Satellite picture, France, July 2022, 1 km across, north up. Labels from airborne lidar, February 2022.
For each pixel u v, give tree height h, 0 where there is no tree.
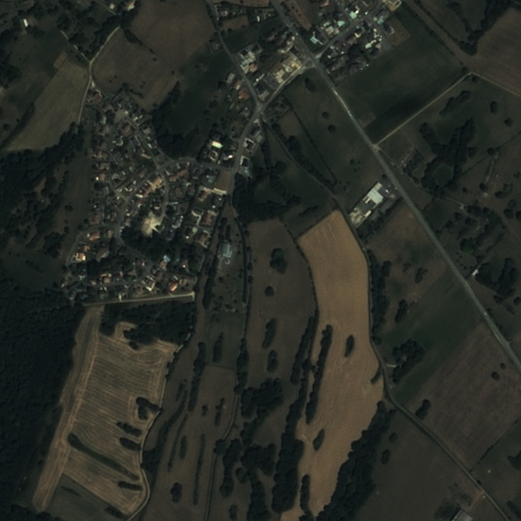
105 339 0
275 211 10
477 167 0
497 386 0
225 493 12
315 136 0
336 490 6
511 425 0
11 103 0
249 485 0
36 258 0
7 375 16
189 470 0
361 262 0
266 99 0
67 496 0
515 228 0
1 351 19
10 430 15
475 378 0
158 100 0
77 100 0
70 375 0
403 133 0
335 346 0
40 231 11
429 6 0
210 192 0
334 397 0
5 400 10
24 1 0
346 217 0
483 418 0
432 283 0
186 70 0
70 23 9
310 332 14
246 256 7
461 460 0
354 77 0
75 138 14
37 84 0
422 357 11
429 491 0
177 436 0
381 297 12
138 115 0
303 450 7
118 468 0
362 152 0
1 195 11
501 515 0
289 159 0
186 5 0
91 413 0
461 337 0
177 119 0
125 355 0
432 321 0
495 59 0
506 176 0
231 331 0
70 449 0
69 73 0
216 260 13
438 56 0
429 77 0
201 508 0
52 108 0
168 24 0
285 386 0
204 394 0
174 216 12
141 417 11
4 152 0
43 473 0
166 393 0
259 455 21
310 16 0
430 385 0
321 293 0
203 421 0
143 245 20
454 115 0
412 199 0
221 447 16
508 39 0
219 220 8
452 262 0
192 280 0
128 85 8
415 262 0
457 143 16
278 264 13
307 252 0
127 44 0
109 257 6
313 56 0
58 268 0
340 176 0
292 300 0
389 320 0
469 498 19
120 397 0
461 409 0
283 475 12
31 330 11
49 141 0
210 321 0
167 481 0
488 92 0
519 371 0
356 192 0
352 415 0
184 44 0
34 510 0
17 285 8
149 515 0
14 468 16
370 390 0
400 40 0
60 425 0
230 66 0
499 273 0
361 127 0
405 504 0
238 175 9
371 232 6
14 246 0
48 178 9
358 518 0
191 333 10
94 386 0
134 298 0
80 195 0
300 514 0
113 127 0
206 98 0
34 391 15
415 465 0
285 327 0
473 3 0
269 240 0
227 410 0
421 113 0
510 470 0
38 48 0
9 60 13
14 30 10
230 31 8
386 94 0
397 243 0
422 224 0
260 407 15
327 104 0
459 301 0
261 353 0
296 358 8
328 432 0
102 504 0
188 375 0
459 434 0
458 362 0
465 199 0
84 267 7
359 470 12
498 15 16
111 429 0
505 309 0
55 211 6
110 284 0
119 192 0
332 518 10
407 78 0
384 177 9
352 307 0
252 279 10
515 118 0
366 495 6
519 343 0
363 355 0
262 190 0
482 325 0
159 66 0
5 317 13
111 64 0
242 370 13
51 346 17
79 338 0
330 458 0
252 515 12
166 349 0
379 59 0
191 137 0
